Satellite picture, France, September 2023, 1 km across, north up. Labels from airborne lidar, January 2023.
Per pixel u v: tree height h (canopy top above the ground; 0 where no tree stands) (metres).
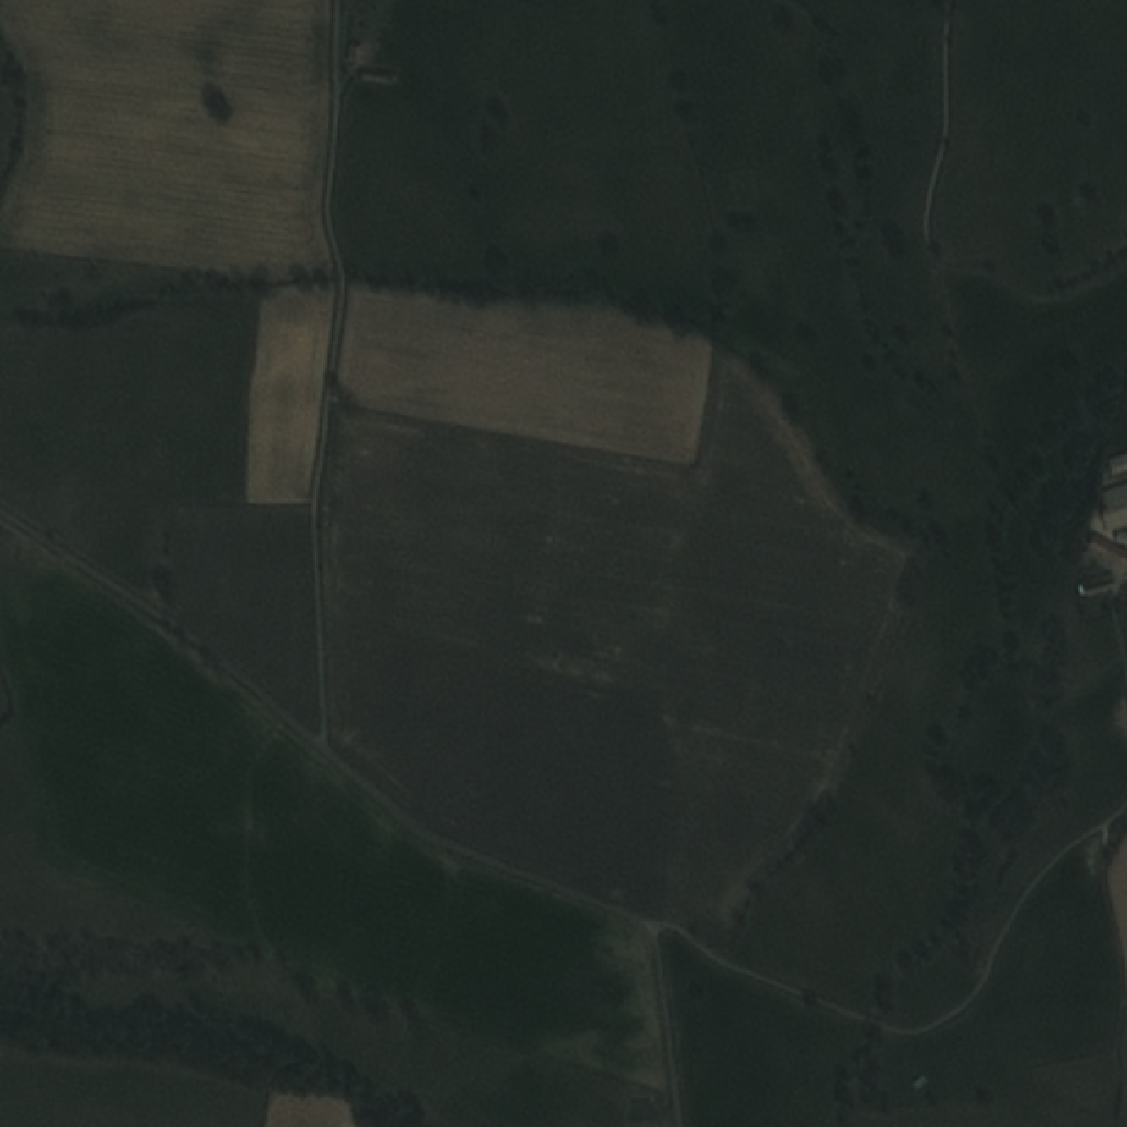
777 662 0
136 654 0
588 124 0
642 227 0
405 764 0
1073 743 0
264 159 0
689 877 0
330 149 0
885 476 0
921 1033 0
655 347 0
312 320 0
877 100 0
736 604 0
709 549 0
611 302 25
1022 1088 0
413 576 0
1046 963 0
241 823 0
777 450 0
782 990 0
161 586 15
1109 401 16
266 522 0
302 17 0
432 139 0
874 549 0
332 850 0
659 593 0
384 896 0
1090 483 7
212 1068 16
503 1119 0
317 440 0
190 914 0
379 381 0
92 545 0
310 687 0
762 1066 0
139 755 0
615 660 0
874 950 0
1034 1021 0
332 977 0
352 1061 0
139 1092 0
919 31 0
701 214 0
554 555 0
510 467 0
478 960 0
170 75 0
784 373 0
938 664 0
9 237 0
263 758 0
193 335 0
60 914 0
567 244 0
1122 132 0
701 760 0
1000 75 0
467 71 0
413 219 0
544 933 0
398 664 0
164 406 0
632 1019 0
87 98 0
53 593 0
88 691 0
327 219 0
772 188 0
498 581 0
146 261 0
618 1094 0
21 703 0
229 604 0
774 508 0
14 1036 21
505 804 0
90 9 0
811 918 0
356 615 0
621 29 0
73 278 0
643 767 0
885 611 0
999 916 0
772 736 0
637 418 0
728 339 0
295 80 0
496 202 0
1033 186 0
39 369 0
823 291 0
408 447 0
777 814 0
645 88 0
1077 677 0
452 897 0
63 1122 0
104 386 0
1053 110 0
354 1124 7
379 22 0
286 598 0
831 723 0
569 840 0
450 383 0
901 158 0
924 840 0
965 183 0
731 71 0
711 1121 0
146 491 0
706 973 0
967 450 0
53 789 0
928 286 0
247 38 0
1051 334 0
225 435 0
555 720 0
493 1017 0
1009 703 0
